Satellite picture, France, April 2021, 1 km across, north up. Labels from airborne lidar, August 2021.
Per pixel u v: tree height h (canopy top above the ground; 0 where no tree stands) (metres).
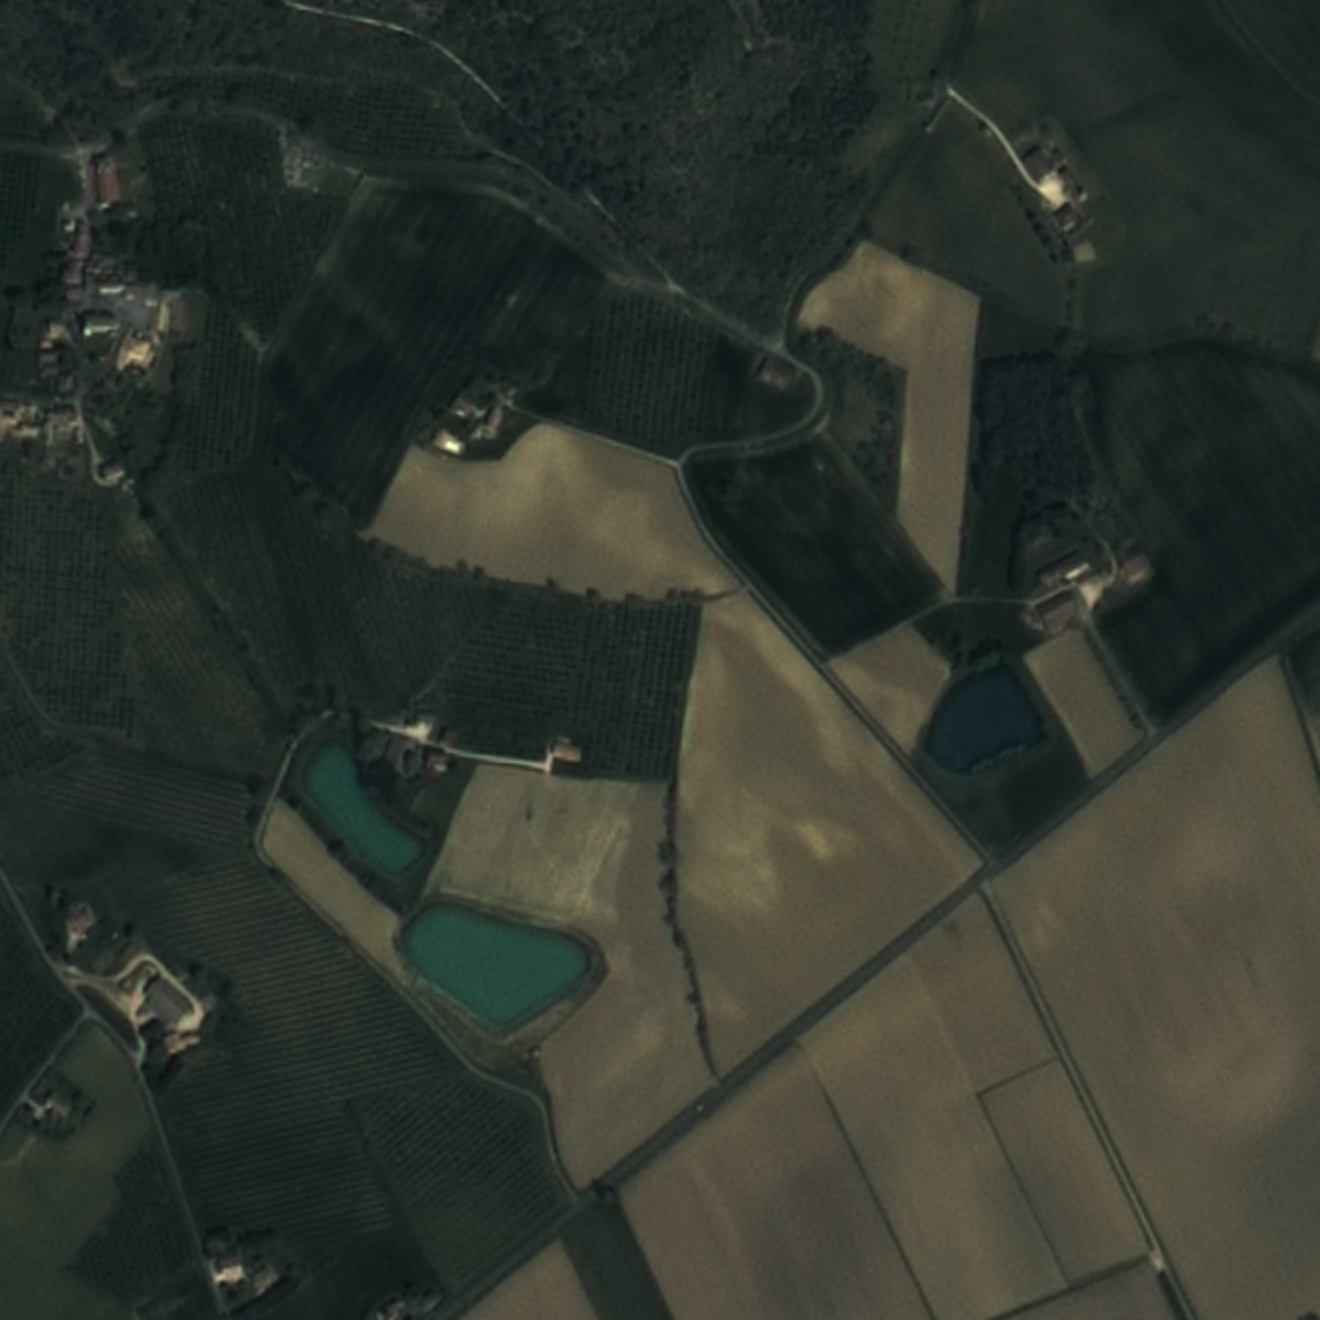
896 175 0
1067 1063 0
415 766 13
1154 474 0
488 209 0
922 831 0
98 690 7
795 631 0
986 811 0
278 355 0
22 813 0
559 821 0
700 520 0
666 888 11
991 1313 0
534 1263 0
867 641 0
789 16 6
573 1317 0
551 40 7
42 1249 0
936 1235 0
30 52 16
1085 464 14
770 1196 0
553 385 0
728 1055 0
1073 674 0
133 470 7
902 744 0
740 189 11
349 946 9
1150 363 0
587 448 0
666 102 9
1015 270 0
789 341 0
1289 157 0
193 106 20
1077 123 0
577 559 0
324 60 21
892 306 0
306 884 0
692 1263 0
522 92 15
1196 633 0
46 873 0
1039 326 0
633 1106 0
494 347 0
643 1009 0
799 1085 0
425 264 0
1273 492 0
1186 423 0
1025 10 0
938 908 0
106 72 16
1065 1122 0
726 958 0
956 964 0
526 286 0
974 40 0
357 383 0
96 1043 0
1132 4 0
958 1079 0
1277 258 0
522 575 0
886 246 0
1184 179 0
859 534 0
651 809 0
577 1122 0
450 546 0
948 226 0
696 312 15
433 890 0
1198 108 0
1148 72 0
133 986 0
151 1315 0
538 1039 0
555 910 0
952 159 0
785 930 0
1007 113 0
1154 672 0
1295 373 0
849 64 8
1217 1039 0
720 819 0
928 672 0
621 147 13
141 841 0
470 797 0
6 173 6
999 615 0
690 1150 0
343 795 0
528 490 0
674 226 10
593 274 0
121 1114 0
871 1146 0
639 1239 0
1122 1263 0
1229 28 0
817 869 0
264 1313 10
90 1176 0
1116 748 0
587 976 0
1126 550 11
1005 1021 0
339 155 0
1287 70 0
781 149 8
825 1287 0
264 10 10
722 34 12
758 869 0
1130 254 0
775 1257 0
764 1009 0
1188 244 0
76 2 17
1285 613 0
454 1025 0
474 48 15
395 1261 0
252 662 16
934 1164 0
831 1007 0
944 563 0
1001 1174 0
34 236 0
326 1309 0
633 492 0
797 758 0
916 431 0
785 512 0
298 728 16
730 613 0
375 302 0
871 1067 0
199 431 6
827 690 0
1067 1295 0
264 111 0
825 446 0
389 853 0
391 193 0
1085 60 0
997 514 0
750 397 0
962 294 0
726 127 16
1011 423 15
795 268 11
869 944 0
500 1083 0
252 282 6
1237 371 0
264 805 20
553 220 13
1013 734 0
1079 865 0
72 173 0
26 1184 0
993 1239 0
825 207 8
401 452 0
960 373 0
